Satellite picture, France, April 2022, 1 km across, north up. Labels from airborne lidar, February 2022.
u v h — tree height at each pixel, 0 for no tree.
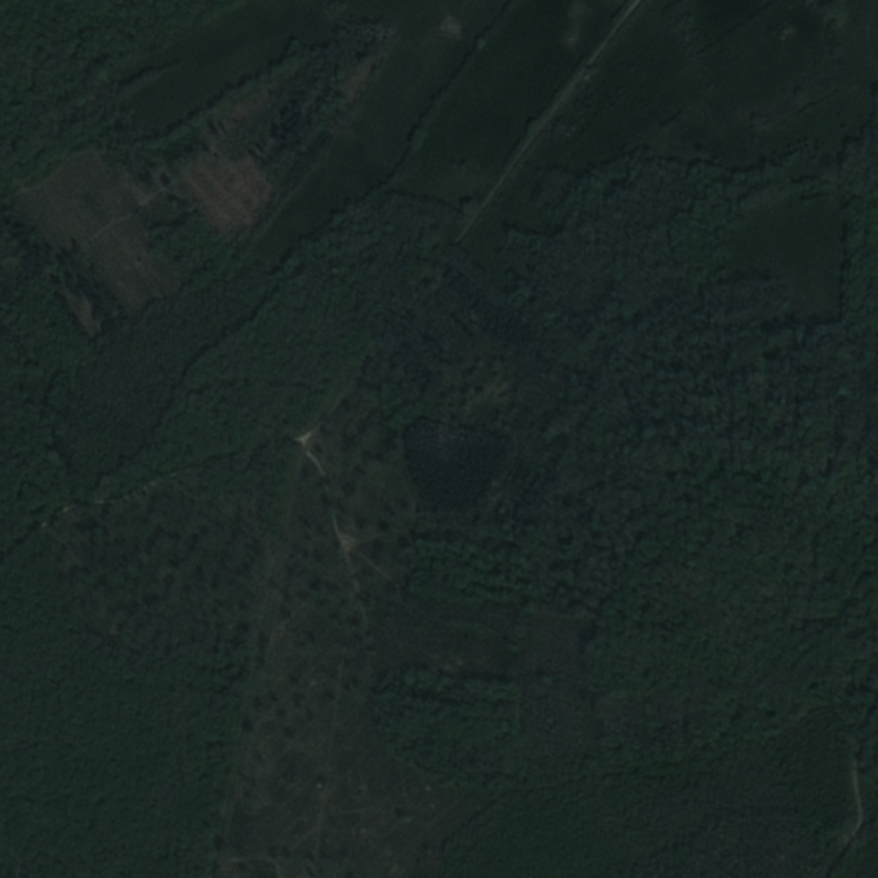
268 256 0
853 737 18
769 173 21
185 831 22
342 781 0
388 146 0
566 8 0
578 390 28
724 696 31
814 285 0
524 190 0
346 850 0
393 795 0
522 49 0
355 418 25
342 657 0
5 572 22
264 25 0
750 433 21
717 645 25
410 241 25
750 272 0
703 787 19
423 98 0
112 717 21
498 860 9
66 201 0
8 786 25
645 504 31
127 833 24
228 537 29
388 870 0
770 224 0
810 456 34
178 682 26
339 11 8
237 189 0
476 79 0
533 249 12
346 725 0
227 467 22
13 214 21
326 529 0
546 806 8
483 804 0
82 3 24
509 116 0
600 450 22
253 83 17
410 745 14
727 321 30
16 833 22
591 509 15
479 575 18
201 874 22
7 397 25
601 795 9
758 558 27
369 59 13
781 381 17
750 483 26
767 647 27
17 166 29
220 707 29
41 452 27
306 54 9
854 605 9
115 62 24
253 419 19
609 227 22
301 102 11
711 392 9
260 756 0
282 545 0
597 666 23
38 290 19
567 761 10
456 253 17
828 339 27
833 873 12
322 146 18
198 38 0
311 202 0
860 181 21
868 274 23
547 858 10
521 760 23
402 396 23
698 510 24
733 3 0
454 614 22
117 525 25
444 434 17
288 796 0
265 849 0
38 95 22
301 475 0
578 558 21
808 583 22
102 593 28
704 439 30
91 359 17
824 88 0
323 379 24
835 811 6
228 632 27
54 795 24
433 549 21
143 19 21
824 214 0
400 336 24
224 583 30
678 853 16
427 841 0
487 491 18
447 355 26
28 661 19
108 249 0
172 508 28
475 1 0
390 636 0
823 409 30
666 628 11
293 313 21
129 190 0
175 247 26
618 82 0
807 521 28
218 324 10
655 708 25
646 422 30
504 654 0
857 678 25
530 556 22
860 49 0
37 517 11
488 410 0
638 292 31
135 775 24
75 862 25
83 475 13
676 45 0
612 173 10
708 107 0
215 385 22
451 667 17
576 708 10
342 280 20
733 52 0
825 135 0
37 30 22
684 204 11
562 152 0
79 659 19
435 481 20
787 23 0
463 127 0
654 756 26
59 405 17
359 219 10
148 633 27
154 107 0
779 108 0
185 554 25
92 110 25
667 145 0
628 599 26
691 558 23
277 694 0
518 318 19
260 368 22
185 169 24
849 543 21
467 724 25
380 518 0
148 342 13
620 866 11
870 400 24
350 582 0
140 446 13
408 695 18
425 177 0
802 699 22
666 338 24
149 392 11
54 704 22
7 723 23
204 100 0
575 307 24
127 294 0
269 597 0
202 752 25
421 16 0
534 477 10
